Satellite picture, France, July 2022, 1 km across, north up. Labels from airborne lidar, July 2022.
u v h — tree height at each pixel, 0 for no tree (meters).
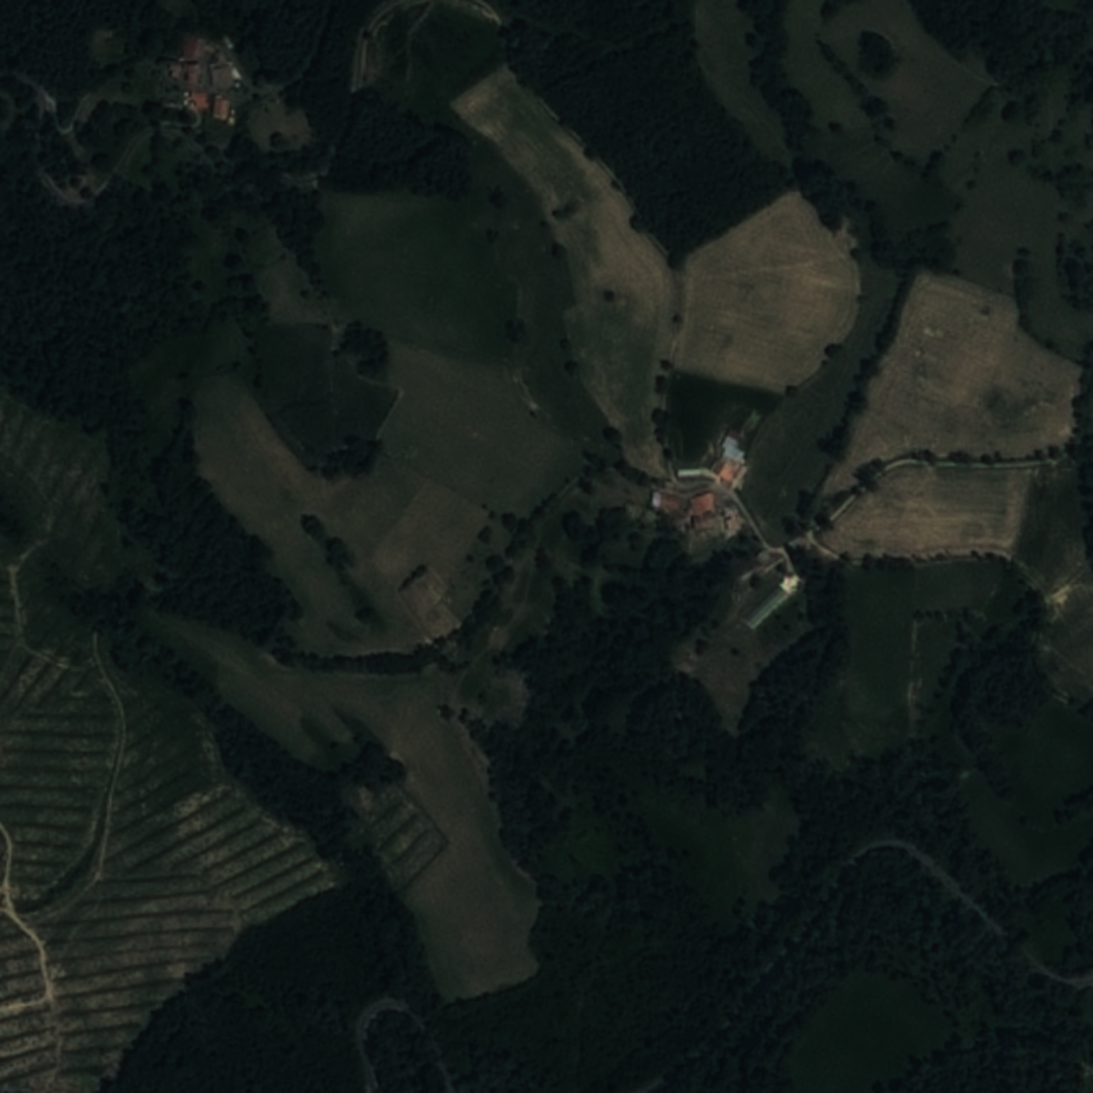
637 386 0
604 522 14
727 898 0
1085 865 19
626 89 16
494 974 0
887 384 0
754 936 19
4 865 0
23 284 21
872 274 0
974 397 0
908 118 0
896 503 0
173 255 21
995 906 27
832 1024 0
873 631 0
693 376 0
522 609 0
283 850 0
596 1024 7
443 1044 10
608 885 28
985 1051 22
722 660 0
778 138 0
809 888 14
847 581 17
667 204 14
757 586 12
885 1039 0
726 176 9
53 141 13
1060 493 0
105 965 0
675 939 8
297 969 11
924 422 0
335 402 0
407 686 0
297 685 0
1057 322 0
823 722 0
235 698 0
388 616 0
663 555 17
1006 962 32
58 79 28
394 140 36
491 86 0
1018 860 0
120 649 14
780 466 0
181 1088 14
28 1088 0
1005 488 0
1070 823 16
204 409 0
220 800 0
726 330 0
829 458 24
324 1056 9
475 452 0
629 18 16
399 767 15
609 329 0
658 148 15
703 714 20
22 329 21
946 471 0
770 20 18
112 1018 0
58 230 7
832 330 0
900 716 0
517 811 17
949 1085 15
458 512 0
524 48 23
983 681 19
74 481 0
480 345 0
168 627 0
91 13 32
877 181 0
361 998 9
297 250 9
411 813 0
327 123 22
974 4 11
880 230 16
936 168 12
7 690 0
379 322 0
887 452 0
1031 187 0
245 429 0
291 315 0
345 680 0
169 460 9
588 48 8
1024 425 0
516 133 0
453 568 0
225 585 18
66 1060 0
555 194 0
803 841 16
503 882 0
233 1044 13
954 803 21
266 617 19
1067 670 0
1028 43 16
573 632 25
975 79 0
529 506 0
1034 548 0
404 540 0
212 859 0
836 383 0
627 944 6
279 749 19
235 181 18
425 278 0
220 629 10
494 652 0
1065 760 0
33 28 32
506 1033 7
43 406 22
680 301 0
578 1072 7
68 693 0
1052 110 0
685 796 6
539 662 24
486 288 0
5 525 21
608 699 22
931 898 7
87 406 25
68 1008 0
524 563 0
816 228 0
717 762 23
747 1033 6
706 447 0
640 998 8
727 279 0
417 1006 16
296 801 21
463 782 0
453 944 0
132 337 24
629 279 0
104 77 15
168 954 0
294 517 0
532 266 0
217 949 0
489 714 0
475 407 0
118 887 0
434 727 0
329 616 0
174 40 21
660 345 0
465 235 0
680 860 26
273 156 13
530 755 7
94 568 0
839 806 14
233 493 0
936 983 16
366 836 0
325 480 9
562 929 7
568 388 0
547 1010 7
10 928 0
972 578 0
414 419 0
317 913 10
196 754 0
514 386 0
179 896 0
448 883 0
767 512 0
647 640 18
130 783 0
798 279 0
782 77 17
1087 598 0
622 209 0
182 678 16
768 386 0
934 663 0
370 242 0
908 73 0
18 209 16
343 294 0
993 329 0
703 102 16
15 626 0
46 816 0
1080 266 20
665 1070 7
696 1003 11
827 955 8
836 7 11
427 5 0
